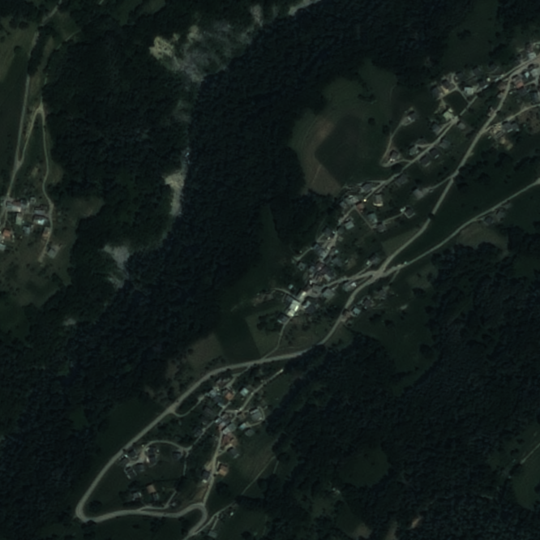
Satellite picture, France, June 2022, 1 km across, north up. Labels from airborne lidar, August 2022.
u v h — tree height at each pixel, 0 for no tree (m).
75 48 22
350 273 0
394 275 0
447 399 21
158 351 35
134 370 26
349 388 24
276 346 0
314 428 32
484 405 23
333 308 6
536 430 0
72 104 16
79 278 26
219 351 0
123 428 0
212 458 0
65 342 27
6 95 0
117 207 14
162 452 0
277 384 0
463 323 21
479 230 0
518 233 22
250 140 28
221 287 29
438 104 0
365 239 0
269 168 24
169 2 18
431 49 41
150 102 29
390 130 10
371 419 26
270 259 0
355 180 0
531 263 0
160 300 32
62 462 10
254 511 19
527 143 0
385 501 32
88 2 17
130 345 25
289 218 32
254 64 28
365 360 26
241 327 0
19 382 29
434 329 22
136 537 0
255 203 6
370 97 7
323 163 0
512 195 0
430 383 23
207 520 0
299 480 25
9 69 0
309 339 0
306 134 0
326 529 20
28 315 17
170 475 0
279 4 19
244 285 0
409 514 19
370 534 0
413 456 24
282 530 19
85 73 31
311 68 21
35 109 0
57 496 27
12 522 28
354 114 0
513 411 21
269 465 0
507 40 13
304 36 37
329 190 0
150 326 41
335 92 0
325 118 0
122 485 0
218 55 22
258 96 8
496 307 30
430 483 27
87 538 16
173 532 0
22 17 24
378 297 0
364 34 32
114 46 26
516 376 23
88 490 0
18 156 0
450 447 33
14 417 9
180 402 0
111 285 22
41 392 34
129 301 28
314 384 8
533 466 0
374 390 25
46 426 31
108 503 0
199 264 29
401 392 0
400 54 30
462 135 0
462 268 21
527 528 26
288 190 30
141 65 14
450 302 20
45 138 0
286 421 21
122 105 35
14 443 29
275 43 32
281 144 27
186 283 33
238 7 25
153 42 17
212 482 0
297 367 27
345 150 0
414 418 31
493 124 0
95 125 30
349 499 19
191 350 8
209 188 27
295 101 36
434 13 35
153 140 30
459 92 0
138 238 10
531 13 25
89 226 27
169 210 6
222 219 35
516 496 15
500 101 0
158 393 7
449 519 23
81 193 23
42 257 0
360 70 22
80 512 0
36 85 0
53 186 15
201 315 33
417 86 15
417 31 40
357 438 25
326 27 29
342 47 39
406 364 0
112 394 22
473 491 14
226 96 22
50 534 0
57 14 0
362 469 0
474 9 17
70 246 0
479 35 0
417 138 0
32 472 31
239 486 0
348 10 31
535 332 34
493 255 23
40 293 0
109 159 29
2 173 8
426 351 24
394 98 0
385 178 0
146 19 23
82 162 30
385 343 0
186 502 0
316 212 26
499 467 7
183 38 10
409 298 0
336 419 34
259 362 0
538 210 0
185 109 5
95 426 25
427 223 0
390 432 24
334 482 17
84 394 13
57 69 9
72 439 24
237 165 24
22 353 27
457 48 0
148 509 0
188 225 31
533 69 0
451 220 0
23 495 26
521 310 31
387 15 33
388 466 0
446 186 0
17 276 0
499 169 12
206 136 23
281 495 21
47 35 14
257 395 11
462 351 19
